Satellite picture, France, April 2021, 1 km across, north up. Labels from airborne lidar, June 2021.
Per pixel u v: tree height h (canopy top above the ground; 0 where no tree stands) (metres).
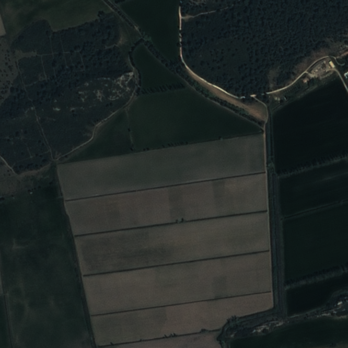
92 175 0
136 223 0
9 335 0
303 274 0
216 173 0
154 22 0
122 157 0
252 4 15
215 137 0
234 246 0
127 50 0
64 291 0
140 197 0
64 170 0
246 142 0
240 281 0
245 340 0
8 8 0
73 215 0
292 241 0
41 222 0
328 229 0
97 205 0
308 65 0
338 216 0
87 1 0
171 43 0
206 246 0
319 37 15
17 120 0
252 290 0
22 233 0
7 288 0
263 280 0
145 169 0
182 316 0
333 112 0
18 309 0
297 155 0
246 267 0
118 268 0
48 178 0
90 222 0
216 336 0
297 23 13
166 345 0
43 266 0
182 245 0
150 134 0
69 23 0
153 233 0
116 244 0
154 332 0
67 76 13
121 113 0
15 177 0
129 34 0
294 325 0
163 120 0
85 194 0
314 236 0
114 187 0
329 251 0
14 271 0
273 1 14
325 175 0
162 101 0
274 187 6
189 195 0
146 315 0
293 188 0
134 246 0
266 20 12
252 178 0
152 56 0
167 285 0
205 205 0
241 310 0
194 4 11
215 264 0
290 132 0
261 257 0
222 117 0
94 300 0
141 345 0
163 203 0
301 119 0
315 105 0
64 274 0
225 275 0
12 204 0
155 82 0
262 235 0
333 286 0
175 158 0
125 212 0
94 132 0
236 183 0
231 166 0
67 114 0
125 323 0
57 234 0
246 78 14
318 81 8
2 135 6
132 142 0
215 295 0
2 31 0
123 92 0
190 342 0
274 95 0
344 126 0
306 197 0
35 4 0
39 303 0
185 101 0
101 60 15
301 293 0
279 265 7
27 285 0
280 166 0
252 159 0
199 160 0
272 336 0
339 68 8
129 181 0
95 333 0
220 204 0
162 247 0
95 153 0
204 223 0
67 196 0
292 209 0
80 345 0
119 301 0
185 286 0
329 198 0
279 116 0
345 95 0
